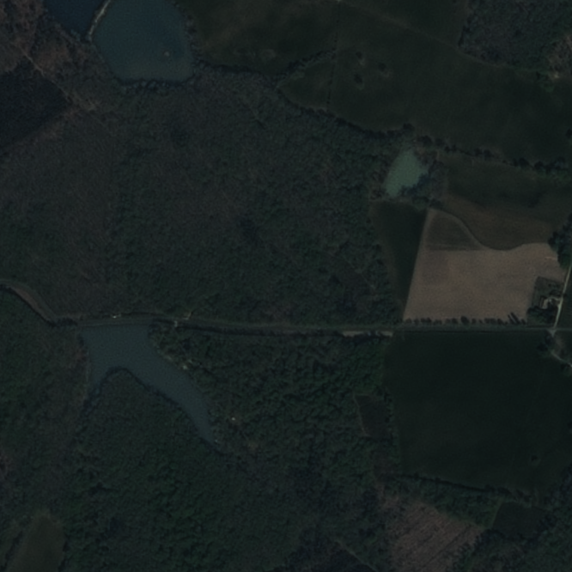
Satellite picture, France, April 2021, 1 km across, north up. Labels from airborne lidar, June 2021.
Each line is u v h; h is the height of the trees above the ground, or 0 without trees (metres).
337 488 13
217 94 21
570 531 25
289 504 21
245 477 17
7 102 10
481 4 19
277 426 23
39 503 18
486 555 13
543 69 17
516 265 0
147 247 21
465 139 0
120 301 18
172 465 23
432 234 0
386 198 9
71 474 15
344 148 30
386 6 0
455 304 0
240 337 13
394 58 0
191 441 22
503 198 0
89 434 25
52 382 18
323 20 0
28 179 12
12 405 20
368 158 28
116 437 18
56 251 12
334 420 18
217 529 18
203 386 17
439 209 0
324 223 17
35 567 0
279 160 20
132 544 11
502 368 0
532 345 0
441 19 0
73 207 11
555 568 22
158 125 21
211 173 19
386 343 20
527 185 0
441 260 0
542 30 20
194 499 15
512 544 18
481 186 0
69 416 20
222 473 21
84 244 12
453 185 0
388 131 0
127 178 20
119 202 13
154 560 17
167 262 20
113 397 16
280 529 22
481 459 0
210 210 13
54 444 19
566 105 0
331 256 16
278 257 19
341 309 23
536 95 0
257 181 12
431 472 0
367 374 20
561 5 21
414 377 0
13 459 9
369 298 15
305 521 19
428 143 19
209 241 19
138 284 25
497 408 0
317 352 18
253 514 20
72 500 21
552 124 0
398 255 0
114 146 13
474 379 0
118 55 0
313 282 18
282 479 21
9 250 12
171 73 0
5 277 10
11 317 15
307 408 18
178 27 0
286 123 21
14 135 10
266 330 0
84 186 10
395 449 17
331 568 5
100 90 21
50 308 10
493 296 0
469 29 8
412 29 0
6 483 13
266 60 0
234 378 20
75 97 12
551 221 0
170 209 17
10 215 12
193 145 22
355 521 10
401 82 0
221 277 19
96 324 0
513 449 0
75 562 25
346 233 20
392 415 10
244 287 20
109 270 16
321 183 25
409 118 0
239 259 19
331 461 19
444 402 0
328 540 18
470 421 0
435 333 0
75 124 9
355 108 0
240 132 22
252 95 27
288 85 0
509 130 0
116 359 0
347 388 17
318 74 0
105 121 15
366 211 29
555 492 17
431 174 14
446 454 0
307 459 11
